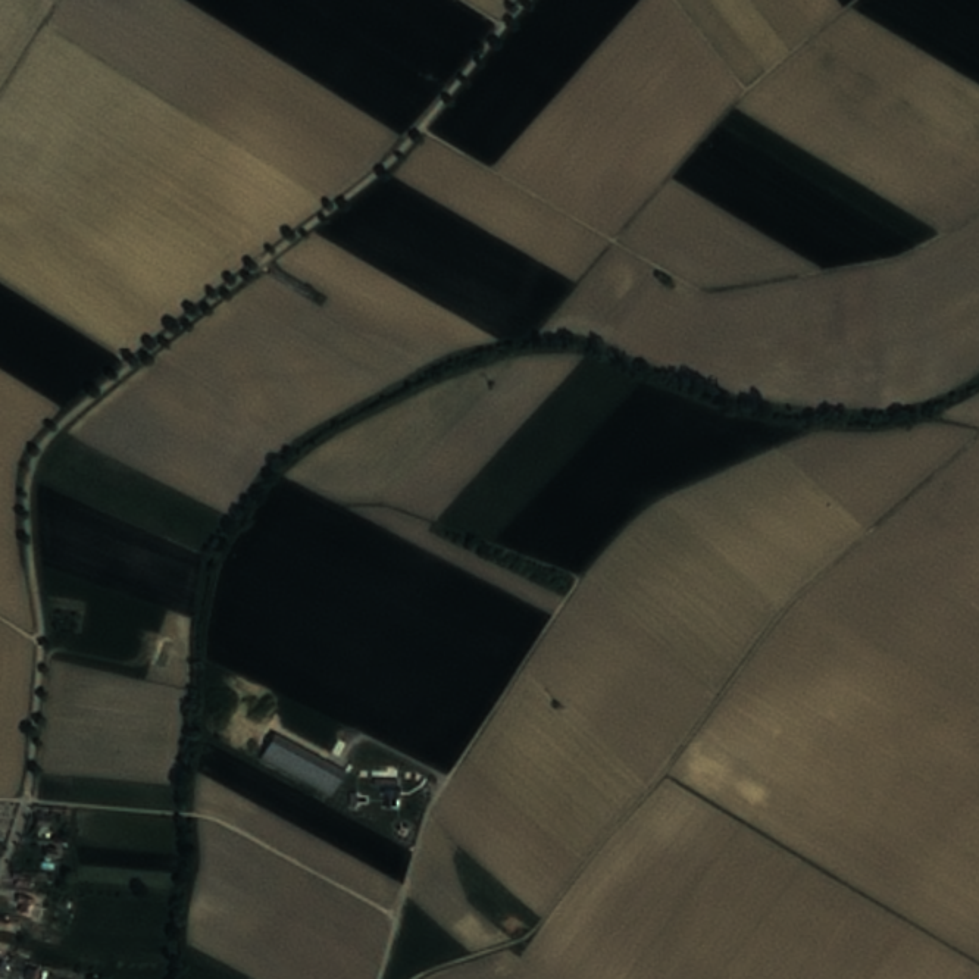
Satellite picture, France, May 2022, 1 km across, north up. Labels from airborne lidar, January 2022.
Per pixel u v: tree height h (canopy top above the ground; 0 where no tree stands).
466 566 0
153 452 0
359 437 0
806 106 0
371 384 0
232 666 0
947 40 0
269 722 0
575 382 0
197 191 0
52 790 0
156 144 0
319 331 0
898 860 0
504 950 0
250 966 0
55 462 0
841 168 0
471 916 0
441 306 0
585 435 0
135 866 0
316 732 0
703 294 0
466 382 0
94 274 0
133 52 0
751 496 0
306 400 0
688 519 0
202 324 0
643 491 0
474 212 0
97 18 0
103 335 0
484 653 0
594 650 0
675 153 0
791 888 0
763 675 0
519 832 0
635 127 0
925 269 0
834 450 0
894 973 0
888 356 0
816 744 0
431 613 0
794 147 0
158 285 0
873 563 0
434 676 0
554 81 0
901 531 0
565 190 0
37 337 0
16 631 0
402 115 0
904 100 0
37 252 0
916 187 0
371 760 0
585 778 0
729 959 0
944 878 0
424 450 0
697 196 0
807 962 0
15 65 0
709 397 7
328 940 0
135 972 0
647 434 0
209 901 0
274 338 0
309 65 0
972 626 0
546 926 0
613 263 0
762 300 0
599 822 0
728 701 0
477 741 0
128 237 0
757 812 0
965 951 0
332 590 0
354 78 0
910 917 0
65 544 0
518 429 0
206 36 0
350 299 0
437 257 0
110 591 0
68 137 0
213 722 0
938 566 0
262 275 0
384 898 0
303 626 0
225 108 0
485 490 0
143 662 0
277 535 0
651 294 0
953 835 0
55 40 0
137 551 0
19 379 0
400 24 0
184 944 0
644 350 0
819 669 0
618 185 0
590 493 0
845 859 0
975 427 0
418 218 0
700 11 0
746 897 0
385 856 0
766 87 0
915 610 0
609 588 0
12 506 0
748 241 0
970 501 0
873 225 0
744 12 0
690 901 0
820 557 0
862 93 0
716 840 0
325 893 0
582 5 0
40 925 0
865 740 0
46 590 0
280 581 0
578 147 0
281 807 0
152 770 0
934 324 0
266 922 0
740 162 0
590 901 0
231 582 0
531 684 0
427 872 0
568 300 0
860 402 0
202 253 0
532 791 0
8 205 0
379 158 0
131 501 0
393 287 0
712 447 0
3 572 0
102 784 0
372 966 0
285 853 0
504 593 0
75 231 0
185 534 0
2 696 0
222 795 0
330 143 0
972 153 0
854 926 0
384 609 0
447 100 13
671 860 0
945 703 0
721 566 0
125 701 0
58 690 0
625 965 0
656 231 0
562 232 0
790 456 0
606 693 0
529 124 0
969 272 0
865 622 0
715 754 0
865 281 0
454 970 0
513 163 0
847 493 0
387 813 0
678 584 0
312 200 0
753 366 0
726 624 0
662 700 0
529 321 0
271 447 0
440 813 0
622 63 0
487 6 0
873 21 0
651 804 0
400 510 0
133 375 0
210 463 0
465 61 0
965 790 0
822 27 0
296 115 0
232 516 12
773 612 0
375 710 0
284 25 0
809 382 0
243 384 0
